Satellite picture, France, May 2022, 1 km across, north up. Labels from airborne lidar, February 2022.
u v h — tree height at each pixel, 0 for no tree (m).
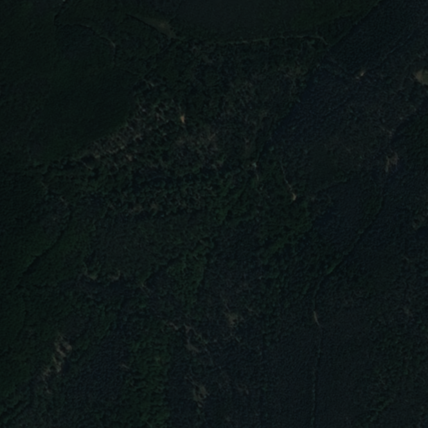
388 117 32
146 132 27
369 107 27
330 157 19
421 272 25
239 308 29
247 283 31
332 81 29
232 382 30
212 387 29
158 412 33
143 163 8
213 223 30
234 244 17
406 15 31
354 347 23
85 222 24
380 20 31
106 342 29
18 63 22
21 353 26
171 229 29
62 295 33
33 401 30
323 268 33
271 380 30
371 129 25
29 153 24
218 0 17
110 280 24
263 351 29
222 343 31
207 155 31
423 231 7
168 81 29
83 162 29
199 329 35
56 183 32
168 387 24
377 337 27
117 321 40
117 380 23
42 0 14
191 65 12
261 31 24
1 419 24
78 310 27
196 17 21
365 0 25
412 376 29
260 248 24
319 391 15
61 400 26
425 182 23
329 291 22
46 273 30
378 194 24
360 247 22
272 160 29
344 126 23
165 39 21
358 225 24
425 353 23
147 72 14
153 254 31
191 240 31
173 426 30
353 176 24
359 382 23
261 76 17
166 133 30
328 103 32
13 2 21
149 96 23
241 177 28
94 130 17
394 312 24
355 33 33
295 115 36
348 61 29
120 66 20
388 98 25
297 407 22
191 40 17
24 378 26
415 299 27
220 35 25
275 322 30
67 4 17
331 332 19
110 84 16
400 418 23
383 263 22
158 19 14
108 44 14
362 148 26
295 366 21
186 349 18
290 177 32
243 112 36
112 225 29
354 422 20
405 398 24
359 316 21
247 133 8
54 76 16
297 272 28
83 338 18
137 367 29
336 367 19
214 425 28
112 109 17
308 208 8
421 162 25
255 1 17
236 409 26
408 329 27
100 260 31
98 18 20
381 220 23
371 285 21
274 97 10
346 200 24
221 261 32
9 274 33
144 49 22
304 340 19
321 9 17
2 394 26
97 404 10
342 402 15
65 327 25
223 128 37
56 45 15
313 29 21
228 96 36
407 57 24
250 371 25
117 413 27
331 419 18
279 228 0
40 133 15
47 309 31
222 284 28
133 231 27
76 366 25
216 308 30
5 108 22
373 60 36
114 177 33
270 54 10
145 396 34
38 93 22
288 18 23
